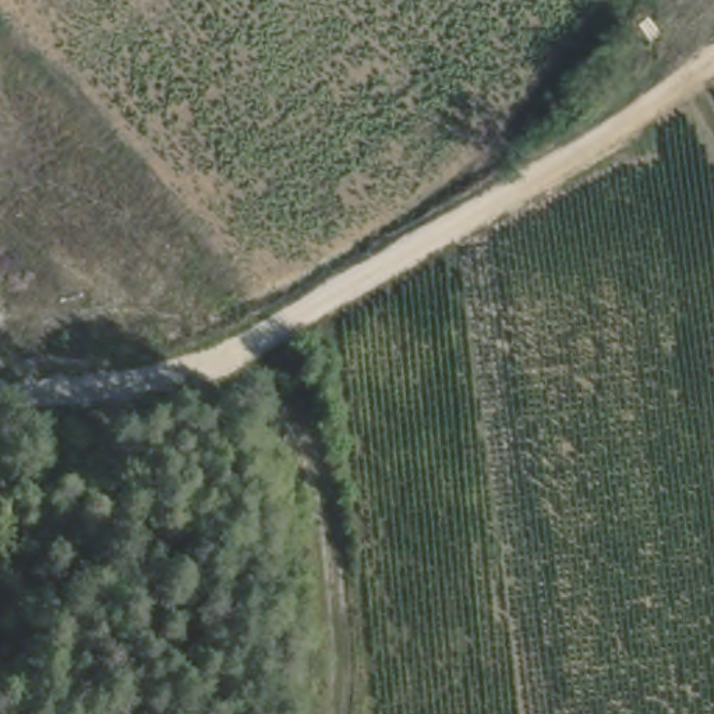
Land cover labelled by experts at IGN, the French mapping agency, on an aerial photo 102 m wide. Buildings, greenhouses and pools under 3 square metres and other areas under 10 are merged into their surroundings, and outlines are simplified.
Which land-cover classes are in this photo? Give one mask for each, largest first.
<instances>
[{"label":"vineyard","instance_id":"1","mask_svg":"<svg viewBox=\"0 0 714 714\"><path fill-rule=\"evenodd\" d=\"M335 326V346L343 360L340 379L354 435L351 471L360 485L357 508L365 541L363 580L360 614L363 644L368 658L371 714H714V81L694 98H683L669 117L647 123L633 139H628L611 156L569 176L558 187L555 198H549L547 192L530 198L519 215H499L491 226L469 231L460 243H452L430 254L416 268L399 273L396 279L379 284L363 298L343 304L340 310L326 315Z\"/></svg>","mask_w":714,"mask_h":714},{"label":"agricultural land","instance_id":"2","mask_svg":"<svg viewBox=\"0 0 714 714\"><path fill-rule=\"evenodd\" d=\"M0 11L11 22V31L20 36V42L25 47L39 50L59 73L70 75L81 86V92L98 106V112L109 120L117 137L148 162V167L156 173L162 184H167L170 198L179 206L181 223L198 231L215 254H231V265L237 268L240 282L245 284V296L251 301L298 282L324 262H329L337 273L365 262L368 257L393 245L399 237L421 229L424 223H432L435 218L457 209L460 204L488 192L491 187L505 184L499 179V170L508 162L510 151L527 139L533 128L544 126L555 112L566 106L569 81L575 70L597 47L608 45L622 28L633 22L639 25L641 20H653L658 14V0H0Z\"/></svg>","mask_w":714,"mask_h":714},{"label":"coniferous trees","instance_id":"3","mask_svg":"<svg viewBox=\"0 0 714 714\"><path fill-rule=\"evenodd\" d=\"M39 413L53 416L56 460L53 466L42 469L39 477V522L20 524L17 552L0 555V714H329V697L318 692V683H326L335 675L337 655L335 630H329L324 622L318 597V577L324 575L321 552L315 544L321 494L310 483L298 480V455L276 432L279 396L273 385V371L265 368L257 357H251L240 371L223 379H206L204 374L190 368L179 382L167 379L162 390L137 393L114 385V399H100L92 404H70L64 399L61 404L36 407Z\"/></svg>","mask_w":714,"mask_h":714},{"label":"herbaceous vegetation","instance_id":"4","mask_svg":"<svg viewBox=\"0 0 714 714\"><path fill-rule=\"evenodd\" d=\"M641 36L636 39V50L628 59V70L639 73V86L644 92L661 84L683 61H689L700 47H714V0H658V14L653 20H641L639 25ZM337 273L329 262H324L298 282L251 301L245 296V284L240 282L237 268L231 265V254H215L198 231L181 223L179 206L170 198L167 184H162L156 173L148 167V162L117 137L109 120L98 112V106L81 92V86L70 75L59 73L39 50L25 47L20 42V36L11 31V22L0 11V385L47 377L81 379L98 371L148 368L165 363L167 357L206 351L229 337H240L254 324L304 298ZM298 332L293 326L271 332V346L262 349V354L257 357L265 368L273 371V385L279 396L276 432L298 455V480L310 483L321 494L315 544L321 552L324 575L318 577V597L324 622L329 630H335L337 655L335 675L326 683H318V692L329 697V714H371L368 658L363 644L360 614L363 580L351 575V536L346 533L343 519V491L329 463V443L324 435V424L329 421V404L315 382H307L310 360L296 349Z\"/></svg>","mask_w":714,"mask_h":714},{"label":"pervious surface","instance_id":"5","mask_svg":"<svg viewBox=\"0 0 714 714\"><path fill-rule=\"evenodd\" d=\"M714 81V47H700L689 61H683L661 84L644 92L602 126L544 153L541 159L522 167L519 179L505 184L491 187L488 192L460 204L457 209L435 218L432 223H424L421 229L399 237L393 245L368 257L365 262L337 273L304 298L254 324L240 337H229L206 351L167 357L165 363L148 368L98 371L81 379L47 377L0 385V399L6 402L8 396H28L36 407L61 404L64 399L70 404H92L100 399H114V385L137 393L162 390L167 379L179 382L190 368L204 374L206 379H223L240 371L251 357H257L262 354V349L271 346V332L293 326L312 324L326 315L340 310L343 304L363 298L379 284L396 279L399 273L416 268L430 254L452 243H460L469 231L491 226L499 215H519L530 198L547 192L549 198H555L558 187L569 176L611 156L628 139H633L647 123L669 117L683 98H694Z\"/></svg>","mask_w":714,"mask_h":714},{"label":"deciduous trees","instance_id":"6","mask_svg":"<svg viewBox=\"0 0 714 714\"><path fill-rule=\"evenodd\" d=\"M641 36L639 25L633 22L622 28L608 45L597 47L575 70L569 81L566 106L555 112L544 126L533 128L527 139L510 151L508 162L499 170V179L505 184L519 179L522 167L541 159L544 153L602 126L644 92L639 86V73L628 70V59L636 50V39ZM298 332L296 349L310 360L307 382H315L329 404V421L324 424V435L329 443V463L343 491V519L346 533L351 536V575L363 580L365 541L357 508L360 485L351 471L354 435L340 379L343 360L335 346V326L326 315L312 324L293 326ZM56 460L53 416L39 413L36 407L28 396H8L6 402L0 399V555L17 552L20 524L39 522V477L42 469L53 466Z\"/></svg>","mask_w":714,"mask_h":714}]
</instances>
